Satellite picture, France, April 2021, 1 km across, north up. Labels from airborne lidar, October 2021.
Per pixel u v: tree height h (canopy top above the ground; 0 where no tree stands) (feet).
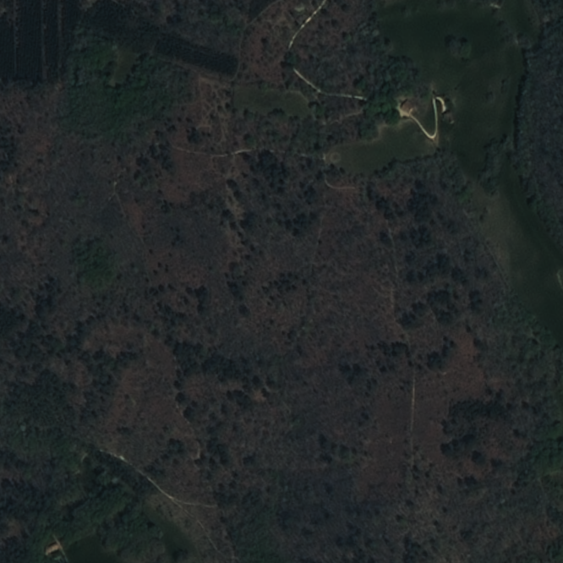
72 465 82
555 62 78
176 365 46
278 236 39
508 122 0
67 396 66
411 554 68
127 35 29
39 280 24
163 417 0
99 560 0
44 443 67
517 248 0
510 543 20
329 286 25
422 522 28
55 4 29
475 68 0
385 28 0
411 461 61
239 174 0
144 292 22
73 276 47
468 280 72
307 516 53
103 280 59
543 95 59
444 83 0
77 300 29
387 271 22
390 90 73
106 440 29
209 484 73
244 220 52
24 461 26
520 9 0
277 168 59
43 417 63
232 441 35
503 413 31
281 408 70
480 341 51
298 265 36
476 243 43
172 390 49
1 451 68
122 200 18
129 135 38
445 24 0
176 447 75
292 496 64
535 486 53
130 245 45
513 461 45
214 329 48
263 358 58
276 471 61
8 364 37
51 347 63
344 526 58
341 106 51
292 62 58
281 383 35
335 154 0
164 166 74
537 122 70
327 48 34
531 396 60
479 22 0
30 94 91
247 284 27
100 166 36
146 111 46
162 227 27
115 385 73
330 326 43
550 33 73
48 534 72
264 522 76
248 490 65
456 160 56
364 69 35
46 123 29
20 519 92
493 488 43
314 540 72
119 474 77
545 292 0
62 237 27
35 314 27
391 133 0
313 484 30
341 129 24
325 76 53
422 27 0
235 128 19
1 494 55
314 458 42
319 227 31
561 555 63
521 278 0
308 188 39
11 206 36
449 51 49
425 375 26
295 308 41
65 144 23
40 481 59
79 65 85
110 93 52
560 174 53
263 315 23
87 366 91
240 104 0
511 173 0
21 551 94
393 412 0
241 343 31
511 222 0
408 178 46
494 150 63
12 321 73
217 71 26
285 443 56
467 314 66
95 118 63
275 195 45
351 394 31
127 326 49
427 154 0
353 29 34
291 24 47
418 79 81
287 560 61
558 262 0
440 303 78
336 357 40
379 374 22
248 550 76
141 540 93
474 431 32
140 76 41
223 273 21
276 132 38
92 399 68
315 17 39
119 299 22
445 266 92
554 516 66
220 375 79
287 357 33
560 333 0
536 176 52
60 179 37
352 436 25
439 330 34
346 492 47
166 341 36
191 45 23
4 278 43
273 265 25
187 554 47
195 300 71
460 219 41
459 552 39
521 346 79
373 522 71
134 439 58
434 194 48
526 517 65
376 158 0
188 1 56
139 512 74
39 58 33
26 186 43
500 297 50
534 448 57
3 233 40
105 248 31
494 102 40
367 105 52
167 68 35
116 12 24
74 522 78
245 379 55
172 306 22
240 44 55
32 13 30
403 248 26
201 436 54
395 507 37
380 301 23
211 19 68
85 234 34
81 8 42
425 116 0
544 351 42
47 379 72
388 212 77
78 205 47
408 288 36
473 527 28
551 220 73
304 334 45
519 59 0
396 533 27
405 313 45
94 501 68
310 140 54
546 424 76
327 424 25
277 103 0
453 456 68
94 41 56
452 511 33
